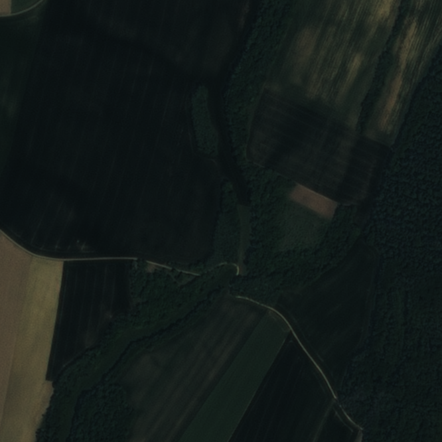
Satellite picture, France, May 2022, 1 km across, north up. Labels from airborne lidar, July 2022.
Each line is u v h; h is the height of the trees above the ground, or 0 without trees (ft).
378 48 0
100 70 0
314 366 0
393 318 93
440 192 85
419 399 71
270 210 24
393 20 0
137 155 0
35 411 0
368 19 0
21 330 0
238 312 0
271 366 0
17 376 0
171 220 0
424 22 0
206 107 61
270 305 49
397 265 81
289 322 0
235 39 0
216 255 52
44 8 0
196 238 0
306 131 0
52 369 0
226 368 0
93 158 0
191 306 0
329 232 42
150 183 0
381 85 44
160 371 0
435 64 54
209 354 0
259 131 0
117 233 0
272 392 0
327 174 0
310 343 0
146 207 0
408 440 91
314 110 0
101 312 0
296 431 0
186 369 0
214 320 0
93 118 0
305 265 68
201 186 0
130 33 0
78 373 49
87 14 0
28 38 0
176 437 0
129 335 0
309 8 0
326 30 0
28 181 0
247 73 52
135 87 0
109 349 61
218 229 62
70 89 0
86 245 0
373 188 0
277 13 52
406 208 53
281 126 0
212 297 40
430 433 87
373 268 0
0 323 0
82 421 58
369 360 77
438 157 62
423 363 73
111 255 0
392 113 0
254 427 0
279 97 0
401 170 65
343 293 0
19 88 0
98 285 0
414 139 60
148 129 0
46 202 0
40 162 0
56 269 0
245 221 0
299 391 0
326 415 0
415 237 85
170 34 0
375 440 75
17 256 0
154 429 0
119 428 52
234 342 0
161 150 0
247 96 54
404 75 0
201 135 67
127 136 0
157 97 0
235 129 54
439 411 73
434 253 78
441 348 101
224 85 0
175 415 0
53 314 0
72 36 0
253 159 0
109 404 66
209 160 0
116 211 0
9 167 0
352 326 0
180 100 0
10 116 0
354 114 0
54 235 0
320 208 0
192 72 0
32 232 0
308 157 0
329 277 0
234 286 52
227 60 0
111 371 38
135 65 0
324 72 0
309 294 0
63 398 72
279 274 68
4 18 0
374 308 22
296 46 0
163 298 35
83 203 0
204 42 0
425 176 63
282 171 0
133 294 29
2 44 0
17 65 0
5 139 0
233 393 0
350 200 0
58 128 0
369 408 60
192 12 0
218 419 0
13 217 0
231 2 0
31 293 0
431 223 76
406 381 86
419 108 60
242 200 0
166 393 0
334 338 0
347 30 0
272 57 60
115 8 0
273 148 0
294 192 0
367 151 0
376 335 71
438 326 80
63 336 0
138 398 0
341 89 0
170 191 0
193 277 22
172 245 0
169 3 0
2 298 0
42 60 0
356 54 0
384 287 91
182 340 0
